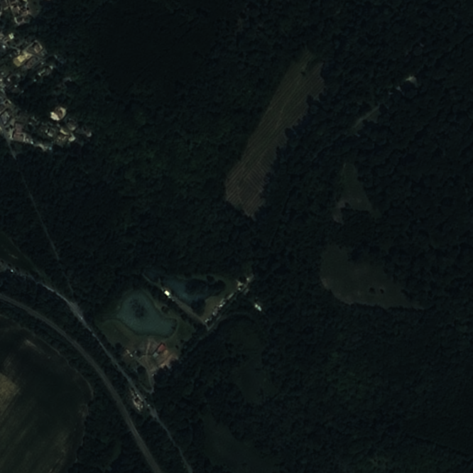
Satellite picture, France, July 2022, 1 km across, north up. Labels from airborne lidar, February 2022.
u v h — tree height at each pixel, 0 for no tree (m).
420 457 18
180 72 10
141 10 10
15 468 0
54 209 28
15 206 15
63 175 24
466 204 31
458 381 17
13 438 0
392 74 16
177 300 0
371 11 24
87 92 18
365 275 0
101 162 30
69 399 0
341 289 0
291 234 6
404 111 29
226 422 21
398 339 17
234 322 13
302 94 0
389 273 24
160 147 19
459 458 20
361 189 0
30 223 19
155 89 8
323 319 13
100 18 10
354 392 16
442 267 24
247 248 31
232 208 29
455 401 5
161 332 0
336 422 27
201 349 18
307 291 7
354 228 7
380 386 22
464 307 24
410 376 25
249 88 15
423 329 22
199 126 10
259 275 21
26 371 0
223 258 23
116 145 19
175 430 25
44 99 19
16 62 0
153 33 13
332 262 0
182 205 32
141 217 20
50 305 21
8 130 11
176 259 23
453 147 32
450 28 24
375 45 20
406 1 22
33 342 0
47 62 6
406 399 25
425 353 22
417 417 9
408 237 27
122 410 0
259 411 16
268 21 25
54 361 0
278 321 22
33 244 17
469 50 29
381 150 30
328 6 23
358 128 0
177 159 22
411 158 31
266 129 0
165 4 6
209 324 11
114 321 0
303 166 26
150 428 19
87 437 15
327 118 16
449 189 31
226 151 22
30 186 21
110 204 38
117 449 0
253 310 16
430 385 21
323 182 21
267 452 8
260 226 18
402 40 24
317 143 19
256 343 0
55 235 21
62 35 26
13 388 0
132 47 12
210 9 11
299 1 20
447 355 27
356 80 12
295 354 21
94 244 32
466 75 27
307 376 27
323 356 23
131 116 21
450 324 7
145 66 9
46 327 6
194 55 10
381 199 23
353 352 19
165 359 0
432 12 27
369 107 25
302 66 0
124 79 11
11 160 21
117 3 11
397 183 33
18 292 24
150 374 0
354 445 22
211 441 0
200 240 24
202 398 7
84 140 8
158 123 23
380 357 17
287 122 0
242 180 0
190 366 21
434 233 25
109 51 11
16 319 11
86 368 13
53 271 20
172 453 24
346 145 26
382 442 18
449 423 11
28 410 0
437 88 28
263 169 0
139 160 25
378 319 17
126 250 20
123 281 25
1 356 0
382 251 19
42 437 0
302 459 24
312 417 25
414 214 32
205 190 23
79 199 32
